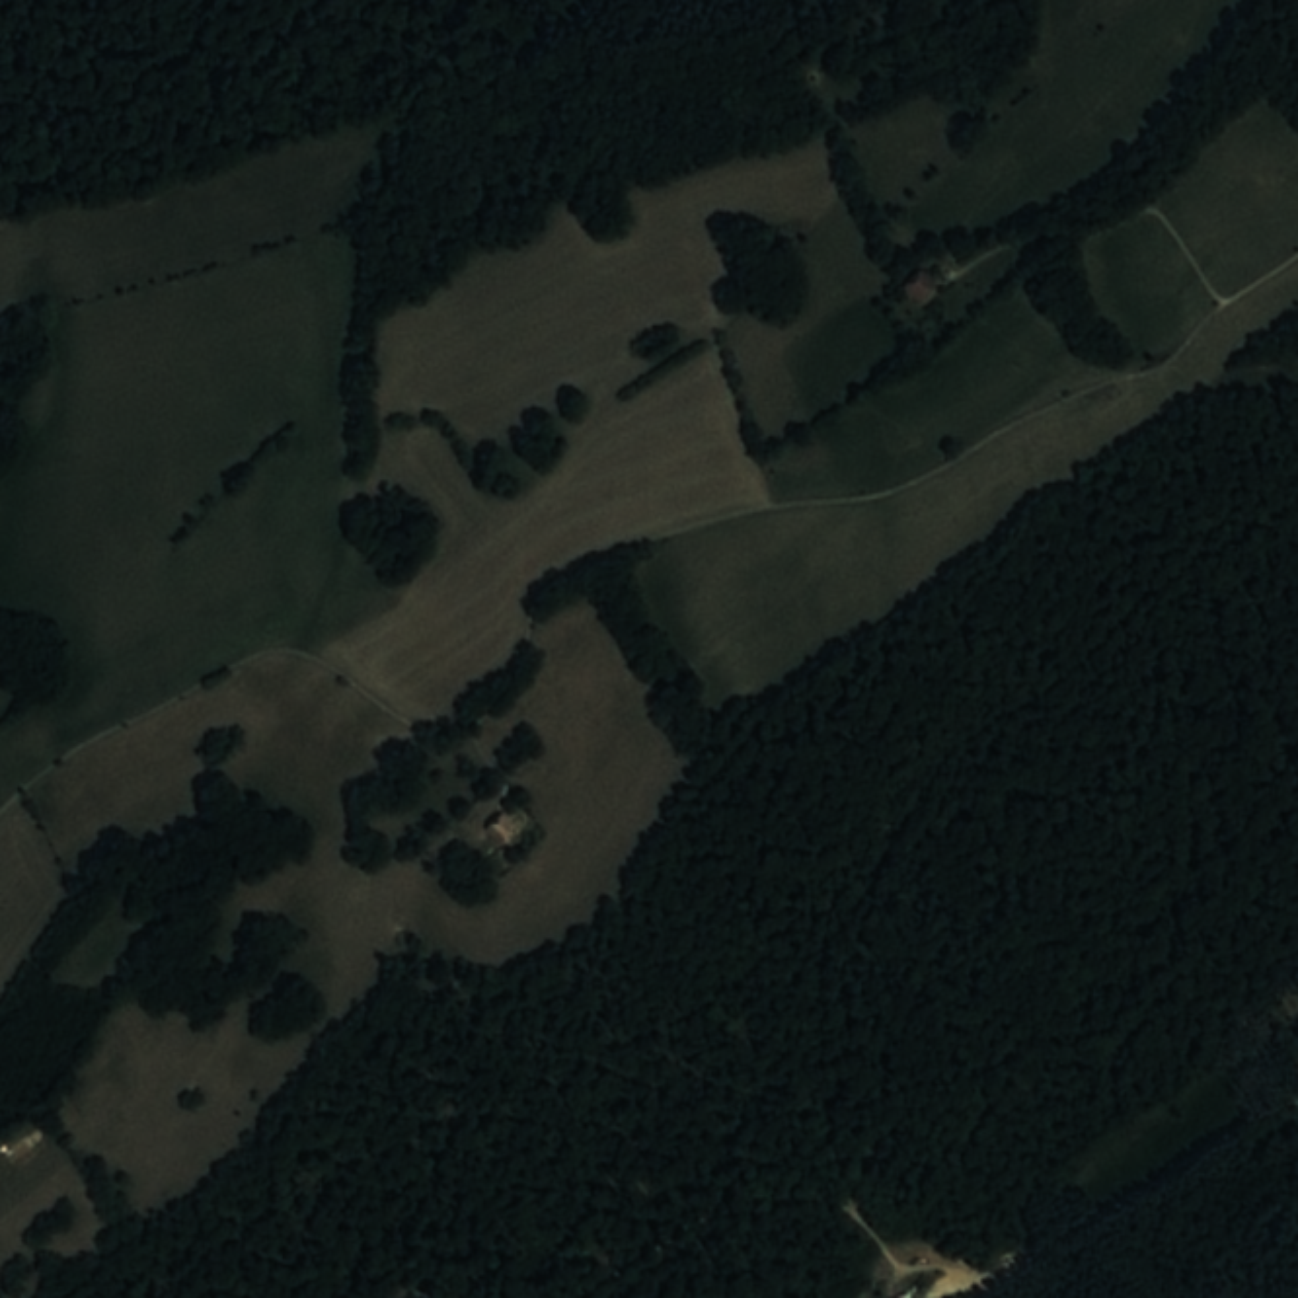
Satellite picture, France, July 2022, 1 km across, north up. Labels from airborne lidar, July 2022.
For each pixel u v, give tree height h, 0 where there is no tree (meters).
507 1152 23
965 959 27
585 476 0
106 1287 26
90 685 0
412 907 0
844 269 0
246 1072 0
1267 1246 15
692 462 0
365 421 22
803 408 0
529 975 25
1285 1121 12
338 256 0
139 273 0
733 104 28
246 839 28
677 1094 27
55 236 0
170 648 0
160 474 0
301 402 0
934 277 6
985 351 0
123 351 0
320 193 0
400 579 18
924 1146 29
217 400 0
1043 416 0
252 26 29
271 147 23
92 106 31
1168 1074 26
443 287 19
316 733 0
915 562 0
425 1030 21
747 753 31
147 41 34
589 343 0
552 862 0
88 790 0
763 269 29
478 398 0
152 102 34
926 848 27
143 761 0
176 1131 0
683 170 20
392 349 0
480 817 0
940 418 0
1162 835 27
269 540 0
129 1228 20
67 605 0
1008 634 23
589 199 22
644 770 0
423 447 0
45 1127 22
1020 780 31
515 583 0
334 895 0
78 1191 0
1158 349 0
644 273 0
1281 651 33
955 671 26
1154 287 0
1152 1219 24
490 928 0
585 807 0
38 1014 9
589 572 21
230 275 0
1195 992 28
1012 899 27
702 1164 30
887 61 10
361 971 0
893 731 28
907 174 0
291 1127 23
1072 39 0
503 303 0
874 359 0
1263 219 0
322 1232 26
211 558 0
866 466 0
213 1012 22
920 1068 28
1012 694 25
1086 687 21
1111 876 24
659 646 26
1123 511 27
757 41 30
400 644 0
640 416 0
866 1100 27
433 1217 29
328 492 0
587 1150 23
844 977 28
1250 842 30
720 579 0
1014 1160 25
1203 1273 19
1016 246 14
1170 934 28
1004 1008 29
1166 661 32
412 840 15
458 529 0
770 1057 27
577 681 0
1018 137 0
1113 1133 18
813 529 0
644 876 25
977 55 17
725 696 0
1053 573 27
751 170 0
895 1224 23
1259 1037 22
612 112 30
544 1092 23
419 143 24
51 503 0
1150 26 0
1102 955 25
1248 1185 12
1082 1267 25
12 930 0
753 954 26
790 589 0
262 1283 28
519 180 12
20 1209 0
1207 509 24
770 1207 23
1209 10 0
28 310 14
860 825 17
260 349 0
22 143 34
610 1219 31
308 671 0
